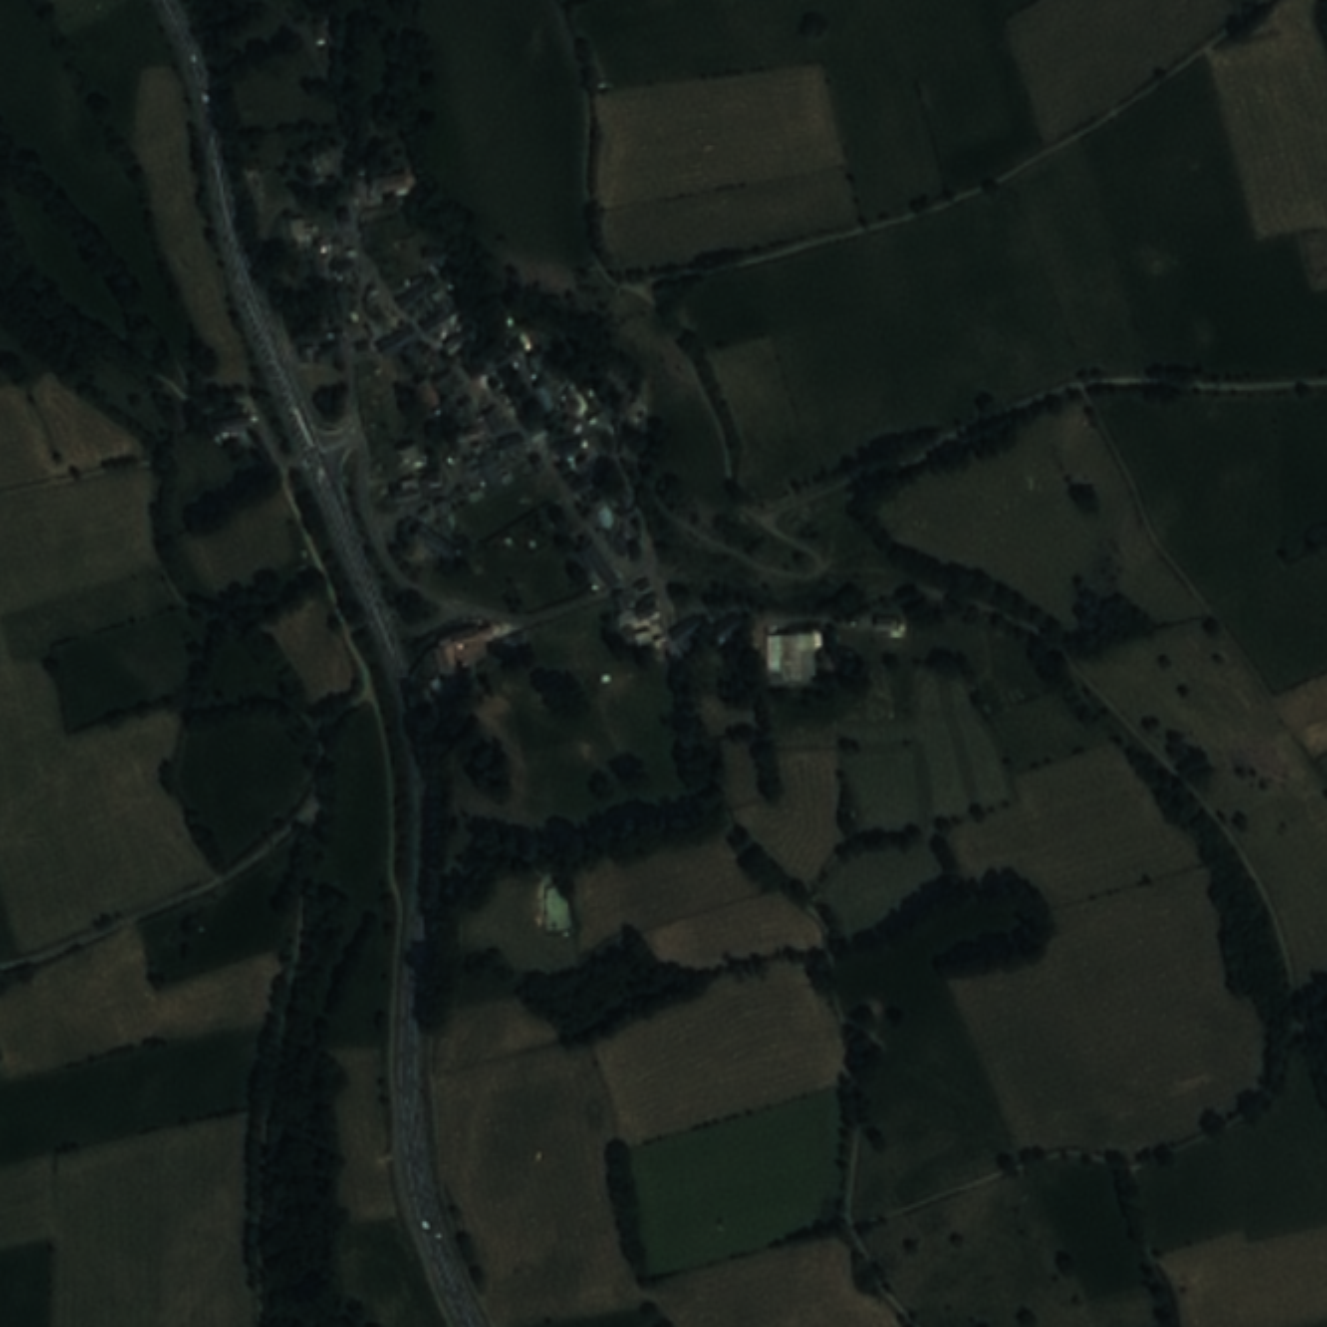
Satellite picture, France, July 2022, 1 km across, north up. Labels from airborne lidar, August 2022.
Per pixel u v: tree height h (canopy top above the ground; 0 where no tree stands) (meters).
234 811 0
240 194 10
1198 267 0
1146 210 0
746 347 0
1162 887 0
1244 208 0
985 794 0
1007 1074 0
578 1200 0
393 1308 0
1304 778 0
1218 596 0
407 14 12
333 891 15
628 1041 0
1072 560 0
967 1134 0
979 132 0
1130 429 0
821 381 0
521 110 0
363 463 0
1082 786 0
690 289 10
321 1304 27
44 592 0
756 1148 0
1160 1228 0
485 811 0
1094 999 0
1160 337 0
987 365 0
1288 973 9
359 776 0
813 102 0
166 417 14
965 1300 0
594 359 11
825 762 0
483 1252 0
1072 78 0
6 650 0
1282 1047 8
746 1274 0
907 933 20
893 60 0
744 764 0
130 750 0
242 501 19
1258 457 0
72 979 0
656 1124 0
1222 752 0
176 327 0
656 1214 0
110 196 0
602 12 0
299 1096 22
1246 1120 12
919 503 0
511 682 0
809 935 0
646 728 0
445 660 0
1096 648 14
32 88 0
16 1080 0
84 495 0
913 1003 0
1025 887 22
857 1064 21
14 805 0
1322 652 0
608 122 0
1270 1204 0
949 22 0
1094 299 0
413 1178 0
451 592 0
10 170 22
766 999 0
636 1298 0
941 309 0
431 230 8
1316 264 0
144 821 0
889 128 0
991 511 0
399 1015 0
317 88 11
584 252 0
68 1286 0
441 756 25
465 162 0
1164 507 0
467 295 20
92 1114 0
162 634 0
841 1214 7
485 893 17
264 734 0
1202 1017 0
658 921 0
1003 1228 0
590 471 6
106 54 0
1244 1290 0
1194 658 0
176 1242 0
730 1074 0
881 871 0
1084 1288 0
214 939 0
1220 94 0
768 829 0
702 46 0
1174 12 0
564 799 0
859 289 0
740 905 0
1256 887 11
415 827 0
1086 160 0
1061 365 0
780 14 0
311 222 0
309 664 0
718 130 0
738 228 0
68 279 0
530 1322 0
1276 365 0
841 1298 0
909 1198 0
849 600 15
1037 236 0
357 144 14
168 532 19
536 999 10
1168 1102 0
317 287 18
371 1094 0
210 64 7
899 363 0
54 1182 0
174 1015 0
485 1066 0
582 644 0
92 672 0
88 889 0
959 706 0
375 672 6
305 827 15
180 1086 0
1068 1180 0
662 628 0
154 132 0
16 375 15
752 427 0
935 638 0
